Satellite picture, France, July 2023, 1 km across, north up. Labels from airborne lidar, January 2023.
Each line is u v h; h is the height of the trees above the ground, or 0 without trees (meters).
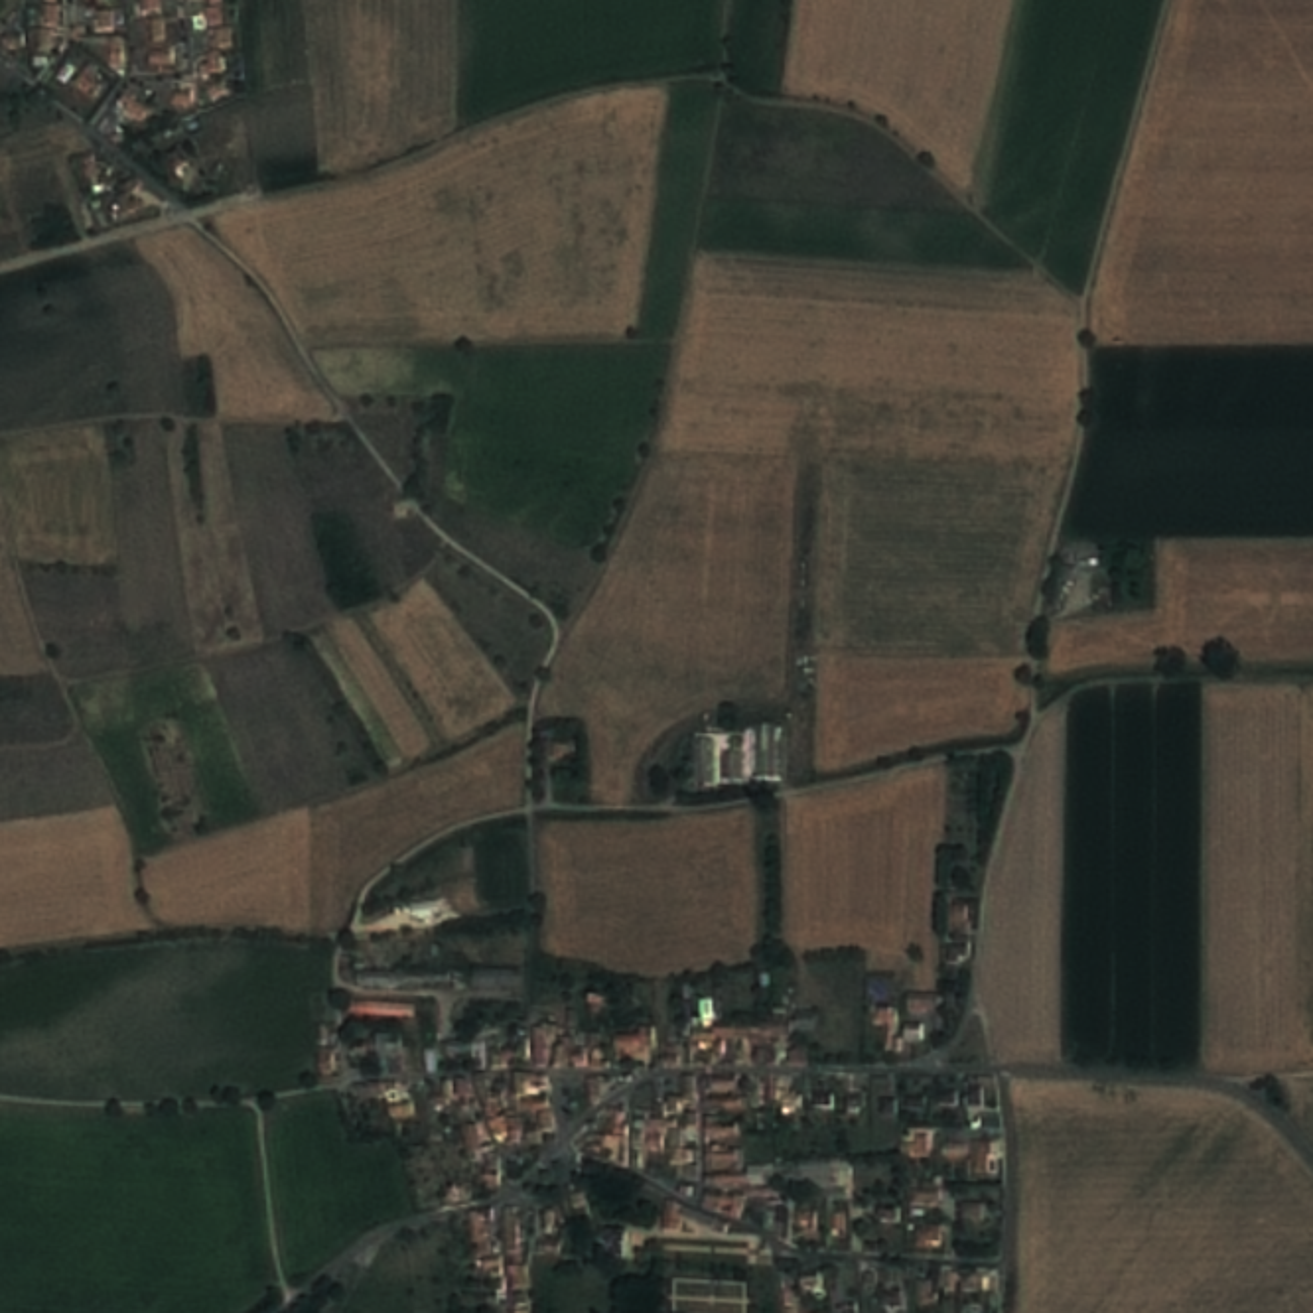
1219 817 0
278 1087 0
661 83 0
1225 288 0
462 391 0
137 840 0
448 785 0
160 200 0
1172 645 0
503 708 0
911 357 0
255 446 0
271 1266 0
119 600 0
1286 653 0
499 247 0
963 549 0
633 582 0
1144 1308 0
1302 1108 0
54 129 0
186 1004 0
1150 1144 0
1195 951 0
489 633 0
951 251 0
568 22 0
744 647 0
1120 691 0
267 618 0
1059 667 0
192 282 0
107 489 0
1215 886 0
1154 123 0
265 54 0
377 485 0
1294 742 0
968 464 0
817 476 0
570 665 0
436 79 0
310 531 0
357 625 0
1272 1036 0
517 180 0
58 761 0
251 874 0
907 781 0
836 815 0
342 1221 0
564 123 0
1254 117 0
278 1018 0
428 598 0
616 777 0
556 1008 0
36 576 0
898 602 0
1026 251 0
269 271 0
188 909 0
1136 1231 0
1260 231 0
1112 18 0
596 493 0
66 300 0
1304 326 0
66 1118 0
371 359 0
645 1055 0
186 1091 0
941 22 0
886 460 0
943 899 14
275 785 0
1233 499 0
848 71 0
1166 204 0
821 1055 12
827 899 0
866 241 0
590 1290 0
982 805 8
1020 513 0
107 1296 0
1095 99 0
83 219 0
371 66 0
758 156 0
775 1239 0
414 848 0
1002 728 0
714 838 0
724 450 0
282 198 0
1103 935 0
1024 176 0
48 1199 0
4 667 0
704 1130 0
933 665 0
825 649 0
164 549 0
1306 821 0
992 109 0
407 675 0
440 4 0
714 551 0
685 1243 0
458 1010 0
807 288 0
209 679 0
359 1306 0
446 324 0
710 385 0
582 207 0
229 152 0
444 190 0
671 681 0
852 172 0
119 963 0
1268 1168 0
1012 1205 0
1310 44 0
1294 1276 0
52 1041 0
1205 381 0
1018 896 0
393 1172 0
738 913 0
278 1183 0
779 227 0
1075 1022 0
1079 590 0
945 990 8
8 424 0
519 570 0
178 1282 0
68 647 0
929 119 0
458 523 0
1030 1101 0
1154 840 0
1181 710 0
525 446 0
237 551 0
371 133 0
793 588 0
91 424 0
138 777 0
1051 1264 0
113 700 0
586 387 0
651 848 0
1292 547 0
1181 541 0
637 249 0
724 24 0
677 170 0
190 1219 0
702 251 0
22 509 0
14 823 0
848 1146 7
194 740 0
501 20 0
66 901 0
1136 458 0
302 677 0
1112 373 0
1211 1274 0
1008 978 0
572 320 0
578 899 0
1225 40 0
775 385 0
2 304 0
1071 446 0
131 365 0
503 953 0
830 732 0
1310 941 0
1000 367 0
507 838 0
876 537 0
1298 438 0
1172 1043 0
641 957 0
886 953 0
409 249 0
